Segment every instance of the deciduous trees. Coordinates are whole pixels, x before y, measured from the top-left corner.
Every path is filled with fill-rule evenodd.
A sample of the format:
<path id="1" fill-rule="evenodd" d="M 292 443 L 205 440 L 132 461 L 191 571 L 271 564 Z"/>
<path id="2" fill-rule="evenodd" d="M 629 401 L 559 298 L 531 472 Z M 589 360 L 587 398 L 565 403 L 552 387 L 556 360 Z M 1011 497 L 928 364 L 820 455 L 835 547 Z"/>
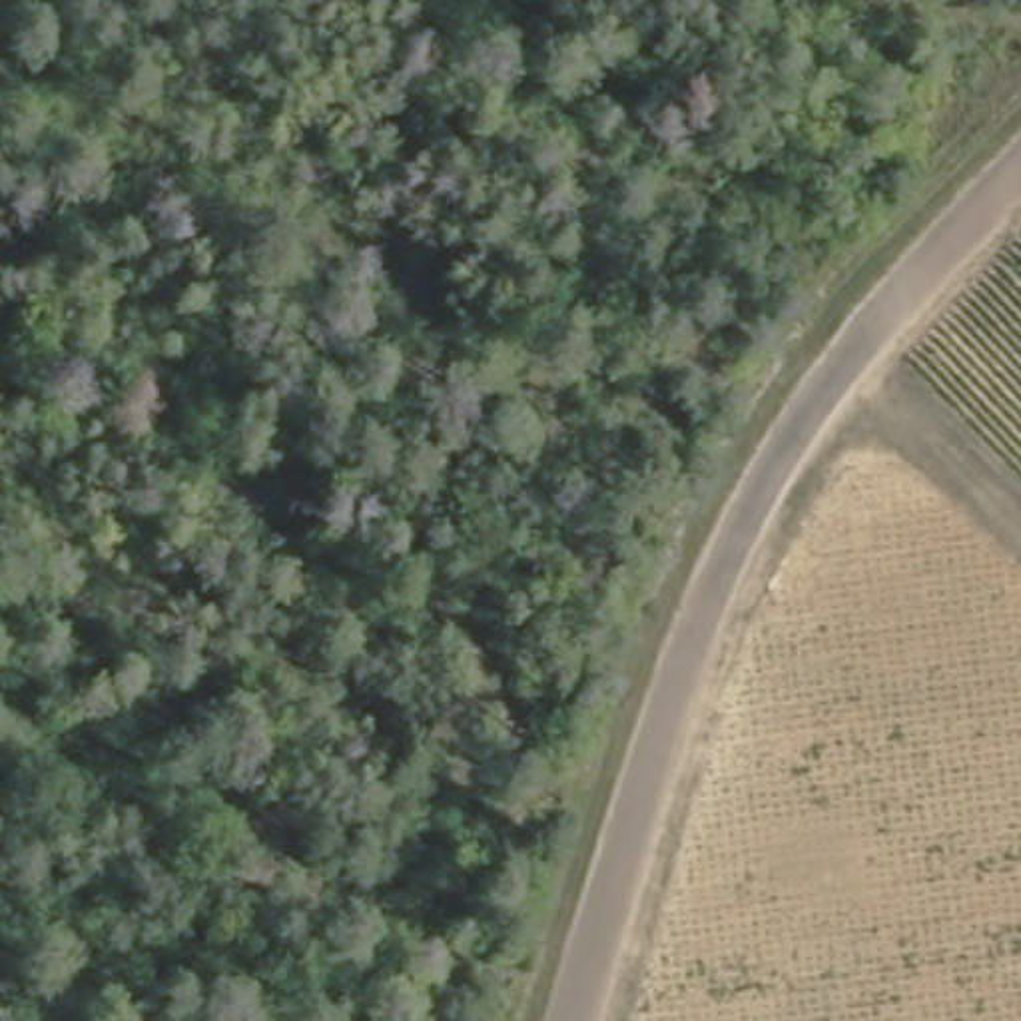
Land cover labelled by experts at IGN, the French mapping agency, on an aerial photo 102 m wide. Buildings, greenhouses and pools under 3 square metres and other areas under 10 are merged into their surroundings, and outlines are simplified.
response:
<path id="1" fill-rule="evenodd" d="M 88 1009 L 108 981 L 84 965 L 52 997 L 40 1021 L 92 1021 Z"/>
<path id="2" fill-rule="evenodd" d="M 451 546 L 479 570 L 511 546 L 511 522 L 487 499 L 463 495 L 463 526 L 455 526 Z"/>
<path id="3" fill-rule="evenodd" d="M 335 965 L 327 961 L 327 949 L 319 941 L 311 941 L 295 953 L 283 953 L 271 969 L 251 973 L 271 1021 L 311 1021 L 311 993 L 331 981 Z"/>
<path id="4" fill-rule="evenodd" d="M 68 710 L 56 706 L 32 722 L 40 738 L 32 746 L 16 746 L 20 766 L 12 774 L 12 794 L 0 794 L 0 842 L 8 846 L 8 853 L 28 853 L 40 842 L 76 838 L 92 794 L 112 798 L 116 810 L 136 810 L 140 798 L 152 794 L 152 786 L 148 766 L 124 742 L 100 746 L 88 770 L 72 766 L 60 754 L 60 734 L 72 730 Z"/>
<path id="5" fill-rule="evenodd" d="M 219 885 L 223 893 L 223 917 L 211 929 L 211 937 L 231 941 L 239 929 L 251 925 L 251 881 L 239 877 L 235 846 L 251 834 L 251 826 L 239 810 L 227 806 L 223 814 L 203 818 L 199 830 L 191 830 L 179 842 L 175 865 L 156 877 L 140 905 L 124 909 L 132 941 L 168 945 L 183 937 L 199 905 L 207 901 L 211 885 Z"/>
<path id="6" fill-rule="evenodd" d="M 32 411 L 40 411 L 44 431 L 76 435 L 76 415 L 56 399 L 56 383 L 84 355 L 84 335 L 68 327 L 60 295 L 32 295 L 24 311 L 24 331 L 16 335 L 16 379 L 24 387 L 20 399 L 32 403 Z"/>

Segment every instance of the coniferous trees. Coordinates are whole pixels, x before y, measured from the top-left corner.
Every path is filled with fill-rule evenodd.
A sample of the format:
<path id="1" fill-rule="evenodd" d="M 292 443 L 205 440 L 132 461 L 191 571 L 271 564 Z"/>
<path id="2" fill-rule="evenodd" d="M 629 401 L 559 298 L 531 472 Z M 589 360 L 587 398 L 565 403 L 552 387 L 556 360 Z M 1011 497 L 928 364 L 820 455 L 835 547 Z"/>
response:
<path id="1" fill-rule="evenodd" d="M 694 471 L 698 431 L 682 403 L 682 383 L 698 387 L 702 367 L 738 367 L 750 351 L 750 339 L 758 335 L 758 319 L 778 319 L 786 299 L 794 295 L 798 259 L 810 251 L 853 243 L 881 203 L 897 199 L 897 175 L 905 171 L 905 160 L 881 156 L 869 140 L 869 100 L 881 88 L 881 76 L 893 64 L 909 60 L 921 40 L 921 24 L 913 12 L 917 0 L 0 0 L 0 794 L 12 794 L 12 774 L 20 766 L 16 746 L 32 746 L 40 738 L 32 722 L 56 706 L 68 710 L 72 730 L 60 734 L 60 754 L 72 766 L 88 770 L 100 746 L 124 742 L 148 766 L 152 786 L 152 794 L 140 798 L 136 810 L 116 810 L 112 798 L 92 794 L 76 838 L 40 842 L 28 853 L 8 853 L 8 846 L 0 842 L 0 1021 L 40 1021 L 52 997 L 84 965 L 108 981 L 88 1009 L 92 1021 L 271 1021 L 251 973 L 271 969 L 283 953 L 295 953 L 311 941 L 319 941 L 327 949 L 327 961 L 335 965 L 331 981 L 311 993 L 311 1021 L 471 1021 L 467 993 L 483 997 L 483 981 L 475 981 L 471 961 L 495 961 L 522 921 L 522 913 L 507 913 L 491 901 L 491 889 L 507 873 L 511 853 L 534 853 L 538 846 L 550 846 L 562 826 L 562 810 L 542 810 L 538 818 L 514 822 L 503 814 L 503 798 L 511 794 L 514 774 L 534 750 L 562 746 L 574 738 L 574 706 L 594 686 L 598 670 L 614 670 L 618 662 L 618 618 L 630 590 L 610 590 L 610 578 L 618 570 L 614 514 L 638 522 L 690 507 L 686 471 Z M 24 331 L 24 311 L 32 295 L 60 295 L 68 327 L 84 335 L 84 355 L 56 383 L 56 399 L 76 415 L 76 435 L 44 431 L 40 411 L 32 411 L 32 403 L 20 399 L 24 387 L 16 379 L 16 335 Z M 451 546 L 455 526 L 463 526 L 463 495 L 487 499 L 511 522 L 511 546 L 479 570 Z M 223 814 L 227 806 L 239 810 L 251 826 L 251 834 L 235 846 L 239 877 L 251 881 L 251 925 L 239 929 L 231 941 L 211 937 L 211 929 L 223 917 L 223 893 L 219 885 L 211 885 L 207 901 L 199 905 L 183 937 L 168 945 L 132 941 L 124 909 L 140 905 L 156 877 L 175 865 L 179 842 L 191 830 L 199 830 L 203 818 Z"/>

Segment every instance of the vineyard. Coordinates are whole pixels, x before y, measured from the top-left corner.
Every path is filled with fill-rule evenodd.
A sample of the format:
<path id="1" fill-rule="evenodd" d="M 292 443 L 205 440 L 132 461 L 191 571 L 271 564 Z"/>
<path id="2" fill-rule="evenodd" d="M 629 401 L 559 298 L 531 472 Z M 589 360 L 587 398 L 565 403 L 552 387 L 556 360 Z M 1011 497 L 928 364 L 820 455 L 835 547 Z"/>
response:
<path id="1" fill-rule="evenodd" d="M 654 802 L 654 818 L 646 830 L 646 846 L 638 857 L 634 889 L 626 897 L 626 917 L 610 953 L 594 1021 L 1021 1021 L 1021 215 L 1009 223 L 1001 247 L 993 251 L 973 291 L 957 295 L 949 311 L 929 291 L 913 311 L 905 311 L 893 323 L 893 331 L 873 347 L 873 355 L 846 383 L 834 407 L 818 419 L 802 451 L 786 463 L 782 483 L 774 487 L 770 507 L 750 538 L 750 550 L 730 582 L 722 618 L 698 670 L 698 686 L 686 702 L 678 746 L 670 754 Z"/>

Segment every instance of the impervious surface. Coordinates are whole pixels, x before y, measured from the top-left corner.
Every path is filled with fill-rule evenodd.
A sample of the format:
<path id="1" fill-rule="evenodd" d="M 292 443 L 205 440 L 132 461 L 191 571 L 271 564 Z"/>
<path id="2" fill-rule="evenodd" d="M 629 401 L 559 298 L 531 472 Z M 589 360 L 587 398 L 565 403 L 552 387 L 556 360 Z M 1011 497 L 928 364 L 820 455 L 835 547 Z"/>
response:
<path id="1" fill-rule="evenodd" d="M 786 463 L 802 451 L 818 419 L 834 407 L 846 383 L 873 355 L 873 347 L 893 331 L 893 323 L 905 311 L 913 311 L 929 291 L 949 311 L 957 295 L 973 291 L 993 251 L 1001 247 L 1009 223 L 1021 215 L 1021 128 L 949 195 L 949 203 L 901 247 L 901 255 L 842 315 L 838 331 L 810 359 L 798 387 L 786 395 L 782 411 L 762 431 L 746 467 L 738 471 L 694 558 L 678 610 L 670 614 L 670 626 L 662 634 L 594 838 L 594 853 L 578 889 L 578 905 L 562 941 L 542 1021 L 594 1021 L 610 953 L 626 917 L 626 897 L 634 889 L 638 857 L 646 846 L 646 830 L 654 818 L 654 802 L 670 754 L 678 746 L 686 702 L 698 686 L 698 670 L 722 618 L 730 582 L 750 550 L 750 538 L 770 507 L 774 487 L 782 483 Z"/>

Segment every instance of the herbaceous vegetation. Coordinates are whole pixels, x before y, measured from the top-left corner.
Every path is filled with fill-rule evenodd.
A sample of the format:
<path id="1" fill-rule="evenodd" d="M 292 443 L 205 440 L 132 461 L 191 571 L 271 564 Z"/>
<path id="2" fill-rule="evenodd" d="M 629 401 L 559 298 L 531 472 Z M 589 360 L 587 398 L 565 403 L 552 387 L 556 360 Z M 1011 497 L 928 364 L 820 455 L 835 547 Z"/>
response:
<path id="1" fill-rule="evenodd" d="M 905 160 L 905 171 L 897 175 L 897 199 L 881 203 L 853 243 L 810 251 L 798 259 L 794 295 L 786 299 L 778 319 L 758 319 L 758 335 L 750 339 L 750 351 L 738 367 L 702 367 L 698 387 L 682 383 L 682 403 L 698 431 L 694 471 L 686 471 L 690 507 L 638 522 L 614 514 L 618 570 L 610 578 L 610 590 L 630 590 L 618 618 L 618 662 L 614 670 L 598 670 L 594 686 L 574 706 L 574 738 L 562 746 L 534 750 L 514 774 L 511 794 L 503 798 L 503 814 L 514 822 L 538 818 L 542 810 L 562 810 L 562 826 L 550 846 L 538 846 L 534 853 L 511 853 L 507 873 L 491 889 L 491 901 L 507 913 L 522 913 L 522 921 L 495 961 L 471 961 L 475 981 L 483 981 L 483 997 L 467 993 L 471 1021 L 542 1021 L 562 941 L 578 905 L 578 889 L 594 853 L 594 838 L 662 634 L 670 626 L 670 614 L 678 610 L 694 558 L 738 471 L 746 467 L 762 431 L 782 411 L 786 395 L 798 387 L 810 359 L 838 331 L 842 315 L 901 255 L 901 247 L 949 203 L 949 195 L 1021 128 L 1021 0 L 917 0 L 913 12 L 921 24 L 921 40 L 909 60 L 893 64 L 881 76 L 881 88 L 869 100 L 869 140 L 881 156 Z"/>

